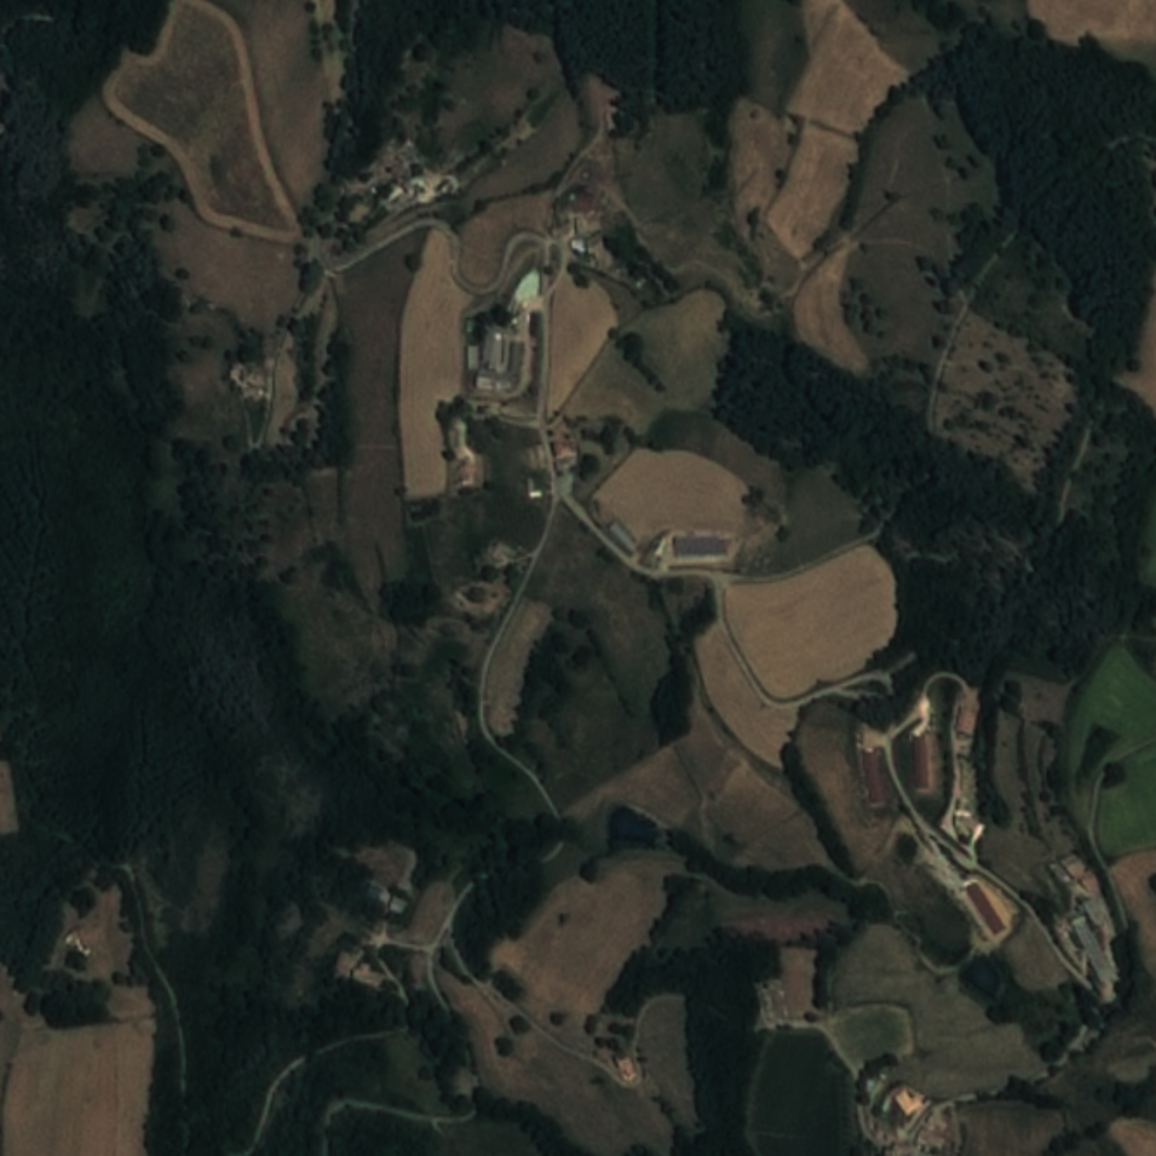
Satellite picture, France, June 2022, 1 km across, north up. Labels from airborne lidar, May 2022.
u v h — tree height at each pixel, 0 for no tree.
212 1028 7
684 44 34
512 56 0
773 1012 0
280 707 13
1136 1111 12
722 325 7
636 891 0
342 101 10
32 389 16
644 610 0
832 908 0
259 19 0
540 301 0
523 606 0
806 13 0
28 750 11
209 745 13
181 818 13
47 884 14
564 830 18
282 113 0
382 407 0
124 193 11
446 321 0
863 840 0
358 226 10
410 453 0
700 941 0
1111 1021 15
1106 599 13
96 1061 0
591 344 0
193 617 12
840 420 35
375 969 6
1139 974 10
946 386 9
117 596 10
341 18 8
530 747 11
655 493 0
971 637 12
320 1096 6
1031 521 15
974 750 8
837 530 0
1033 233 18
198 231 0
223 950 9
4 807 0
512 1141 0
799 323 0
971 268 19
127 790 15
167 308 14
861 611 0
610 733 0
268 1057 9
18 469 14
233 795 7
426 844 6
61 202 14
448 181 0
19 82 24
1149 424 11
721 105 13
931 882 0
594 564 0
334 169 16
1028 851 0
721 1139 11
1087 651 8
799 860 0
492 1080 0
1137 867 0
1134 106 19
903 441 16
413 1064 0
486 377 0
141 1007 0
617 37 28
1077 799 0
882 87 0
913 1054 0
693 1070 11
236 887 9
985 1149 0
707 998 13
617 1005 9
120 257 7
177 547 21
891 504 14
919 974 0
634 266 11
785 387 28
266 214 0
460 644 0
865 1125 0
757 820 0
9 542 14
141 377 14
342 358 9
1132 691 0
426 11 25
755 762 0
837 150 0
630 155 0
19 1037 0
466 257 0
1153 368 0
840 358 0
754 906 0
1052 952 0
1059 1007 6
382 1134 7
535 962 0
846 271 0
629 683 0
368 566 0
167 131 0
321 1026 8
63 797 12
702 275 0
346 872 10
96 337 19
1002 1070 0
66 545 16
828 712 0
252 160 0
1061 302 0
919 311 0
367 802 12
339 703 0
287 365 0
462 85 0
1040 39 14
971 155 0
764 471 0
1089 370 13
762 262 0
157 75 0
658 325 0
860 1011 0
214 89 0
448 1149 0
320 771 6
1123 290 30
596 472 7
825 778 0
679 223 0
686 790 0
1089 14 0
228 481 11
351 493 0
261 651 16
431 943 0
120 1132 0
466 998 0
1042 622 19
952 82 20
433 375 0
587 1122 0
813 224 0
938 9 18
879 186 0
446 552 0
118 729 15
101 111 0
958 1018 0
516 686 0
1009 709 12
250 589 16
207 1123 11
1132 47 0
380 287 0
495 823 10
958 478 20
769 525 0
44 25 13
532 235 0
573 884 0
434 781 14
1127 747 0
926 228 0
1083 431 9
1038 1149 0
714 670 0
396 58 25
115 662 9
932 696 0
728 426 8
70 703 10
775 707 0
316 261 8
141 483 15
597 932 0
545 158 0
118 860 13
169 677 13
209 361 0
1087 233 33
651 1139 0
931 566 12
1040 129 21
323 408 15
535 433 0
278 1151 7
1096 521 10
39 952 24
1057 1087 0
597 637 7
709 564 0
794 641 0
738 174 0
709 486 0
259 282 0
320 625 0
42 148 24
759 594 0
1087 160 14
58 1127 0
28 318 22
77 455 14
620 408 0
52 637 13
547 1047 0
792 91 0
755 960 15
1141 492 15
